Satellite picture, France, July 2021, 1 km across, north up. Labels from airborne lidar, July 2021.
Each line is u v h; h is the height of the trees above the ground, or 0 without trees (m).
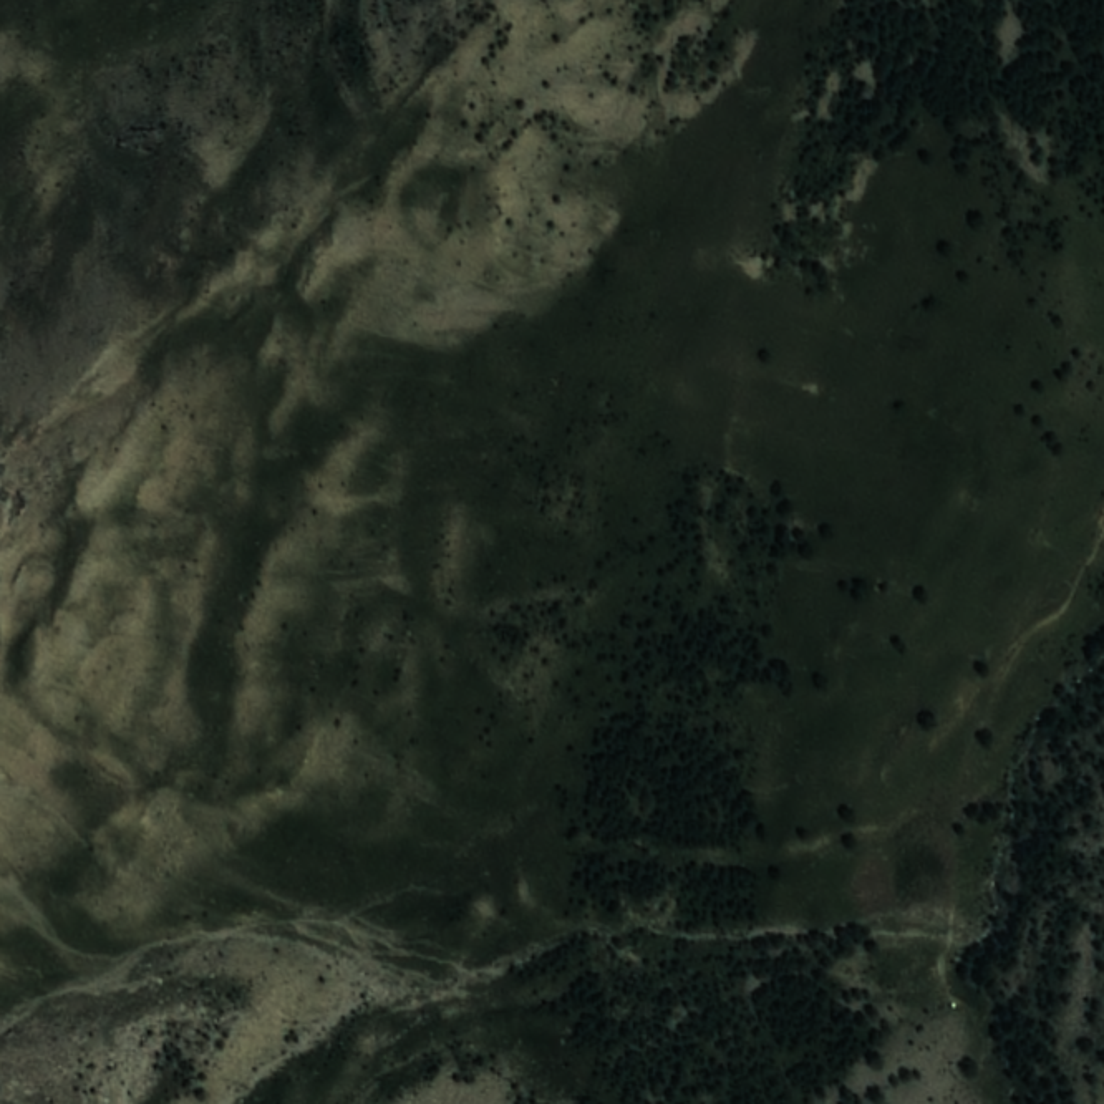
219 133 0
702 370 0
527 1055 0
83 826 0
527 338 0
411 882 0
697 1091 19
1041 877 14
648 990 10
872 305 0
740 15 0
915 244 0
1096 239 0
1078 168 10
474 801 0
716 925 12
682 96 0
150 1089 0
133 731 0
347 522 0
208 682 0
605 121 0
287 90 0
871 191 0
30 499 0
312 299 0
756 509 12
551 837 0
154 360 0
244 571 0
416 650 0
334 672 0
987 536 0
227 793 0
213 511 0
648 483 0
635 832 13
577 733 0
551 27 0
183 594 0
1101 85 12
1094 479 0
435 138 0
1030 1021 12
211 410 0
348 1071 0
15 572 0
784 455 0
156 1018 0
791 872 0
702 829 16
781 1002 8
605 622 0
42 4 0
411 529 0
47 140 0
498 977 0
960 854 0
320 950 0
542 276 0
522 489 0
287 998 0
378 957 0
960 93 19
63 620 0
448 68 0
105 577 0
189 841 0
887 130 15
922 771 0
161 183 0
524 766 0
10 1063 0
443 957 0
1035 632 0
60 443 0
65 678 0
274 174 0
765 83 0
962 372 0
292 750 0
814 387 0
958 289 0
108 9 0
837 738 0
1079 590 0
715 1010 10
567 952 9
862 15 11
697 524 10
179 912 0
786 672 27
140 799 0
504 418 0
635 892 16
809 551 20
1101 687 13
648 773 11
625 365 0
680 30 0
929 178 0
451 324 0
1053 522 0
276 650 0
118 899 0
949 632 0
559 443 0
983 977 16
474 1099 0
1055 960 11
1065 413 0
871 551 0
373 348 0
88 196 0
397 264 0
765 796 0
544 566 0
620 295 0
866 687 0
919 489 0
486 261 0
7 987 0
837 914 0
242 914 0
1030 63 18
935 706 0
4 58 0
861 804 0
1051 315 9
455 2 0
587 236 0
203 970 0
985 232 0
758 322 0
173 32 0
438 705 0
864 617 0
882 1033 10
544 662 7
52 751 0
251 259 0
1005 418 0
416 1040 0
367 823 0
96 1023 0
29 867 0
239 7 0
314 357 0
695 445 0
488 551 0
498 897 0
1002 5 19
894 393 0
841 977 0
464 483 0
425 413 0
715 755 6
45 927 0
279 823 0
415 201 0
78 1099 0
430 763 0
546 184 0
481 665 0
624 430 0
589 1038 7
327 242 0
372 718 0
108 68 0
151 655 0
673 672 12
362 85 0
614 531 0
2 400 0
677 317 0
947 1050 0
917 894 0
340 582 0
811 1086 10
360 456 0
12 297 0
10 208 0
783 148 0
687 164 0
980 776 0
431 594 0
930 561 0
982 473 0
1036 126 14
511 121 0
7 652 0
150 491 0
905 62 17
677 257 0
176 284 0
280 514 0
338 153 0
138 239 0
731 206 0
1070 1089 9
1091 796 13
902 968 0
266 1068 0
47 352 0
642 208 0
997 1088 0
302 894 0
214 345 0
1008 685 0
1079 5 19
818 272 17
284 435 0
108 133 0
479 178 0
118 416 0
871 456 0
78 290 0
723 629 18
